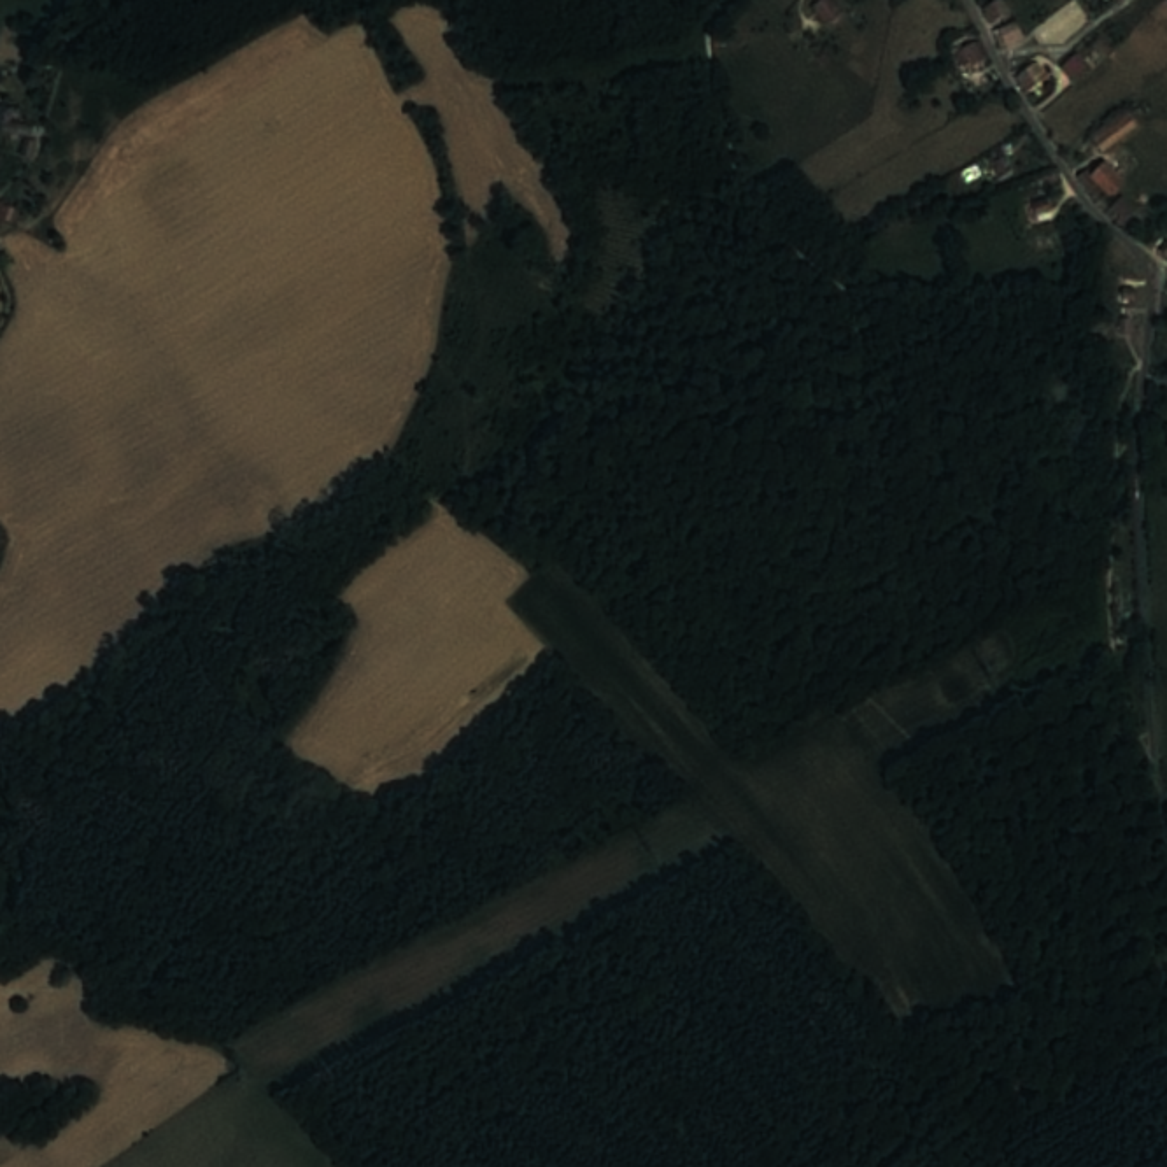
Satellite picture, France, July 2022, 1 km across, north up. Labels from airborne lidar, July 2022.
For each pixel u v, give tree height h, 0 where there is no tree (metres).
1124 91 0
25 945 20
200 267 0
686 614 24
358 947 26
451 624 0
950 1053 29
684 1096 30
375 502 27
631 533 29
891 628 27
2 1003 0
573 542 20
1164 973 34
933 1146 26
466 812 28
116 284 0
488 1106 25
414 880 27
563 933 0
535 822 24
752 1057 28
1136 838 34
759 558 27
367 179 0
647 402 26
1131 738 15
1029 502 33
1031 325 24
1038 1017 23
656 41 15
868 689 20
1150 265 0
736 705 26
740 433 24
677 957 26
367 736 0
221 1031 24
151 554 0
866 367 16
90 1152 0
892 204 13
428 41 0
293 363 0
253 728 20
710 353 22
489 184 0
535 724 29
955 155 0
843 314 22
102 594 0
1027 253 0
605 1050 31
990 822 26
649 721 0
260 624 20
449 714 0
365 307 0
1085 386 18
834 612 21
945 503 27
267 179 0
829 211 27
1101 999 11
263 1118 0
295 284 0
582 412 29
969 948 0
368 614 0
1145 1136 23
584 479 25
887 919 0
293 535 28
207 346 0
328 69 0
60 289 0
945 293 20
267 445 0
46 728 28
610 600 16
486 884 25
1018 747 30
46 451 0
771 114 0
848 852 0
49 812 24
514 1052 24
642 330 31
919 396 24
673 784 25
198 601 25
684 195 8
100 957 25
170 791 24
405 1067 25
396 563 0
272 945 21
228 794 26
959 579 20
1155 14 0
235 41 16
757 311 25
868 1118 30
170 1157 0
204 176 0
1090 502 26
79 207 0
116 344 0
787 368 22
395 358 0
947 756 24
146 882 28
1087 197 0
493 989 30
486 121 0
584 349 24
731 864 25
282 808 29
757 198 26
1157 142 0
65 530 0
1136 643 14
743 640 22
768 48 0
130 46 15
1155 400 13
